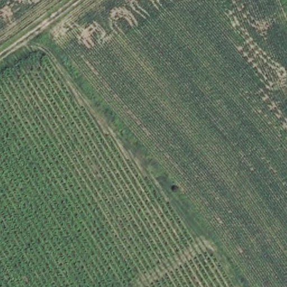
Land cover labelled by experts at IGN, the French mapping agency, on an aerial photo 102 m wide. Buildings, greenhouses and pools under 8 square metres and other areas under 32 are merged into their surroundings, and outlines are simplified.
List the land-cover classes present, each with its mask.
<instances>
[{"label":"agricultural land","instance_id":"1","mask_svg":"<svg viewBox=\"0 0 287 287\"><path fill-rule=\"evenodd\" d=\"M61 0H0V44L43 16ZM77 9L54 27L52 34L55 43L61 46L85 80L118 114L121 121L146 147L150 155L154 156L157 163L166 170L178 189L192 201L225 250L229 252L232 260L237 263L248 281L246 287H287V0H86L78 3Z\"/></svg>","mask_w":287,"mask_h":287},{"label":"vineyard","instance_id":"2","mask_svg":"<svg viewBox=\"0 0 287 287\"><path fill-rule=\"evenodd\" d=\"M194 231L186 224L184 216L169 202L163 186L152 174V170H148V166L142 167L140 160L131 150L124 149L117 133L109 127L107 119L95 110L93 103L84 94L76 90L70 74L58 63L47 46L43 45L41 50H26L11 63L0 68V287H235L232 284L233 274L228 260L220 256L213 242L204 237H194Z\"/></svg>","mask_w":287,"mask_h":287},{"label":"herbaceous vegetation","instance_id":"3","mask_svg":"<svg viewBox=\"0 0 287 287\"><path fill-rule=\"evenodd\" d=\"M86 0H61L43 16L0 44V68L11 63L26 50H41L43 45L47 46L58 63L70 74L76 90L84 94L93 103L95 110L107 119L109 127L117 133L124 149L131 150L140 160L142 167L148 166V170H152V174L163 186L169 202L184 216L186 224L194 231V237H204L213 242L220 256L228 260L233 274L232 284L235 287H246L248 281L237 263L232 260L229 252L225 250L192 201L178 189L166 170L157 163L154 156L150 155L146 147L121 121L118 114L85 80L61 46L55 43L52 34L54 27L77 9L78 3Z\"/></svg>","mask_w":287,"mask_h":287}]
</instances>
